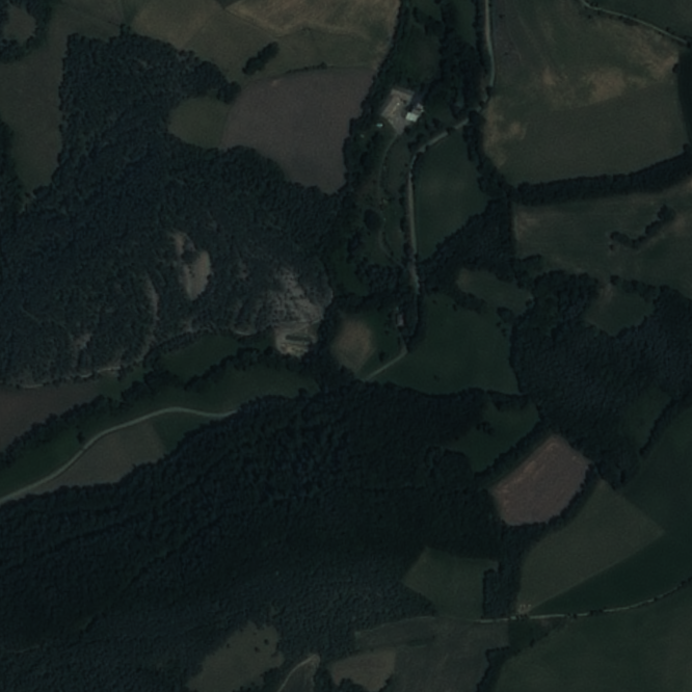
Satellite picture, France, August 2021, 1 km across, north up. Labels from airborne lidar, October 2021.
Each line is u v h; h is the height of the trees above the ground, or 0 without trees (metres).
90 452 0
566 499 0
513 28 0
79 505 24
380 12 0
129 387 0
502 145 0
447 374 0
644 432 0
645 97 0
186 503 13
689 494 0
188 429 0
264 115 0
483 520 25
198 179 24
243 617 12
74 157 19
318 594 11
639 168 0
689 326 15
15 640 14
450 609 0
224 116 0
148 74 19
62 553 19
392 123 0
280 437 11
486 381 0
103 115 13
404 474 22
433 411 28
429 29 16
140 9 0
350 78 0
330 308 13
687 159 15
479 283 0
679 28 0
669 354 15
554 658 0
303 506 23
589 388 15
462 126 0
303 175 0
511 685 0
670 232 0
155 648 11
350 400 24
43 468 0
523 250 0
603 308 0
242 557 18
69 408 0
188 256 19
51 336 16
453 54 13
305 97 0
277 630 7
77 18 0
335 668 0
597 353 19
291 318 7
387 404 31
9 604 19
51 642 9
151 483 18
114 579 23
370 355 0
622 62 0
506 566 18
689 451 0
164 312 16
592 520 0
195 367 0
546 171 0
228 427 21
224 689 0
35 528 17
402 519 25
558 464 0
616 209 0
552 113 0
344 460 27
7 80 0
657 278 0
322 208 28
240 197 8
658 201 0
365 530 18
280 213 18
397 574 10
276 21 0
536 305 13
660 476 0
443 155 0
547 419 20
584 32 0
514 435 0
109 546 21
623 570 0
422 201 0
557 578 0
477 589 0
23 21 0
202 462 21
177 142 14
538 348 16
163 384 23
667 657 0
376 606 9
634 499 0
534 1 0
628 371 19
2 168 19
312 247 11
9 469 17
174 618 9
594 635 0
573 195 19
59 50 0
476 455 0
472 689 0
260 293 15
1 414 0
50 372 7
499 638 0
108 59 22
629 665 0
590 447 24
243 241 13
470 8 0
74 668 14
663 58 0
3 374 15
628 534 0
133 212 17
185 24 0
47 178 0
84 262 17
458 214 0
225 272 19
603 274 0
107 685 17
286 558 14
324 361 29
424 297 13
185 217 20
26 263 18
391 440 27
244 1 0
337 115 0
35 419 0
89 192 17
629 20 11
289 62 0
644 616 0
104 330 20
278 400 14
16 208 12
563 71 0
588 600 0
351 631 11
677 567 0
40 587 19
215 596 13
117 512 14
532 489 0
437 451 23
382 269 11
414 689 0
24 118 0
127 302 18
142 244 17
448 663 0
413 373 0
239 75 0
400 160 0
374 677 0
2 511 14
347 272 0
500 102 0
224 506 22
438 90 23
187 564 13
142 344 18
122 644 11
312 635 11
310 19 0
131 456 0
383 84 14
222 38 0
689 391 14
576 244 0
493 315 0
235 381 0
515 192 15
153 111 17
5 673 13
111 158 18
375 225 21
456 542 22
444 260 25
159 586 18
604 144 0
